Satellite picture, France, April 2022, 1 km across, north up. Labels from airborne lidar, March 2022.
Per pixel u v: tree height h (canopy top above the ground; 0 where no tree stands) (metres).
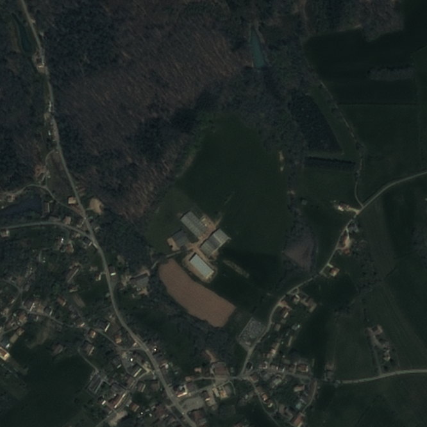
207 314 0
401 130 0
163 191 25
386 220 0
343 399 0
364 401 0
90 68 24
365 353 0
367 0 31
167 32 30
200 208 0
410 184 0
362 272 0
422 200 0
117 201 27
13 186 17
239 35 17
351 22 22
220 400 0
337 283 0
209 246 0
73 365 0
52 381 0
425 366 0
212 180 0
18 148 32
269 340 0
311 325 0
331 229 0
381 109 0
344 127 0
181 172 22
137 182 27
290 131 25
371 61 0
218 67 31
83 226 6
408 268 0
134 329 7
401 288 0
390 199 0
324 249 0
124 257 22
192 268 0
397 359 0
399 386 0
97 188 28
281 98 26
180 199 0
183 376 0
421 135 0
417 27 0
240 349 0
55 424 0
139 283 0
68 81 28
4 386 0
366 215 0
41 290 7
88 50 28
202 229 0
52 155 0
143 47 29
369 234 0
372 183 0
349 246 0
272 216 0
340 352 0
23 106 30
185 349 0
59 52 30
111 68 31
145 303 16
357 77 0
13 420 0
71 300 0
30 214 13
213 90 30
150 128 26
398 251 0
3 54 38
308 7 0
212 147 0
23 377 19
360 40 0
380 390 0
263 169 0
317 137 18
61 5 30
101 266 0
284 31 0
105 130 27
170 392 0
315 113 21
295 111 20
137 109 27
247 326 0
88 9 29
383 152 0
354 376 0
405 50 0
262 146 0
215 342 25
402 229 0
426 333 0
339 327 0
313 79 25
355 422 0
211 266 0
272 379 0
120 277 0
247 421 0
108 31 26
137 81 27
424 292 0
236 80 33
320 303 0
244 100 22
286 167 0
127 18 28
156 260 15
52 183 0
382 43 0
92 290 0
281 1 32
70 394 0
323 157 0
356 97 0
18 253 22
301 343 0
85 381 0
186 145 32
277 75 30
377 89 0
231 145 0
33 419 0
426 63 0
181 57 28
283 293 0
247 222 0
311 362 0
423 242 8
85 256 17
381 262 0
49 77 0
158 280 16
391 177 0
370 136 0
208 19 27
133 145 30
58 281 8
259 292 0
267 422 0
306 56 11
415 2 0
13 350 0
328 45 0
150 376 0
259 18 0
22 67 18
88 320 6
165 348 0
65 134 29
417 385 0
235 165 0
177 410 0
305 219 10
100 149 26
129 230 12
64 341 0
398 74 21
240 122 0
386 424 0
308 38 26
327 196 0
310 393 22
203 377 0
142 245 20
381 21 29
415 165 0
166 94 28
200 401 0
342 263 0
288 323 6
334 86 0
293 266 18
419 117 0
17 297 0
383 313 0
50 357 0
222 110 27
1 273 0
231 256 0
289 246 10
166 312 0
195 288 0
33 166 24
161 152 25
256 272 0
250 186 0
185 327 21
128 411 0
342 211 0
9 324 0
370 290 9
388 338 0
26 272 0
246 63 31
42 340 0
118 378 11
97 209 0
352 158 0
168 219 0
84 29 30
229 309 0
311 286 0
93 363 0
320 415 0
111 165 27
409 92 0
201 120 24
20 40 0
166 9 9
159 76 26
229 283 0
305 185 0
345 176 0
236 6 11
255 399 11
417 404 0
